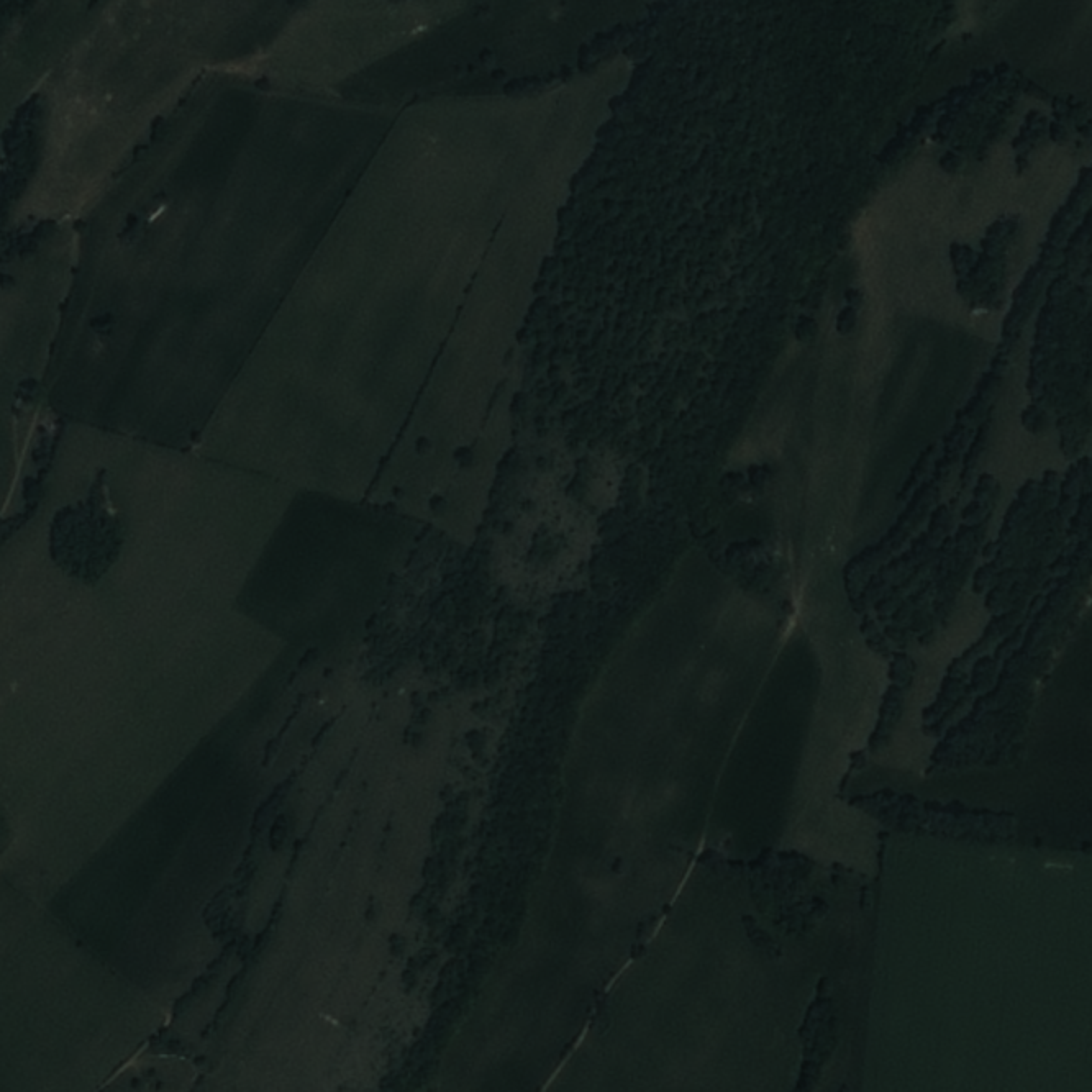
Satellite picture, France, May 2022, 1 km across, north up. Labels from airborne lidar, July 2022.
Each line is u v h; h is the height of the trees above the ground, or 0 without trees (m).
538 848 25
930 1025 0
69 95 0
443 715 0
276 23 0
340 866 0
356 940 0
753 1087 0
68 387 0
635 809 0
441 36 0
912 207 0
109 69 0
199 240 0
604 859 0
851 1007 0
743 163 10
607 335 9
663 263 9
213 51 0
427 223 0
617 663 0
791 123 11
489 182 0
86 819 0
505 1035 0
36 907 0
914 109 0
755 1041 0
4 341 0
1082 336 20
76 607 0
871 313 0
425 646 8
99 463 0
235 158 0
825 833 0
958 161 13
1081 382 18
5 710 0
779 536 0
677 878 0
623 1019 0
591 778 0
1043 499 17
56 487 0
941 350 0
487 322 0
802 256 19
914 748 0
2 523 11
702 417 14
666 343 7
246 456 0
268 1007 0
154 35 0
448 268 0
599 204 9
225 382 0
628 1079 0
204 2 0
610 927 0
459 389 0
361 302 0
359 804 0
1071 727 0
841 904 0
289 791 8
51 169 0
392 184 0
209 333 0
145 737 0
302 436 0
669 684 0
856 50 15
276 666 0
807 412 0
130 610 0
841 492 0
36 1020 0
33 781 0
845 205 15
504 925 15
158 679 0
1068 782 0
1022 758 20
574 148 0
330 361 0
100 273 0
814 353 0
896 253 0
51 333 0
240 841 0
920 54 13
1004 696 20
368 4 0
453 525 0
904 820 23
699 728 0
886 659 10
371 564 0
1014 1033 0
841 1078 0
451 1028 17
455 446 0
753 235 11
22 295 0
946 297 0
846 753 0
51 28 0
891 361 0
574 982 0
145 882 0
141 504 0
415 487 0
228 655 0
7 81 0
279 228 0
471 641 8
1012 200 0
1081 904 0
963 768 19
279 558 0
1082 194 16
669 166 12
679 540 22
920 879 0
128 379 0
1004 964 0
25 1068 0
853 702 0
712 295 11
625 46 12
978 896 0
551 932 0
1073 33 0
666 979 0
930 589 14
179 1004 7
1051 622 23
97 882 0
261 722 0
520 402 12
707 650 0
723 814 0
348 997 0
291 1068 0
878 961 0
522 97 12
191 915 0
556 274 8
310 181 0
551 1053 0
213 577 0
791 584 0
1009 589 14
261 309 0
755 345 17
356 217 0
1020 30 0
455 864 9
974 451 9
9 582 0
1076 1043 0
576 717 14
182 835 0
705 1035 0
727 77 14
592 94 0
